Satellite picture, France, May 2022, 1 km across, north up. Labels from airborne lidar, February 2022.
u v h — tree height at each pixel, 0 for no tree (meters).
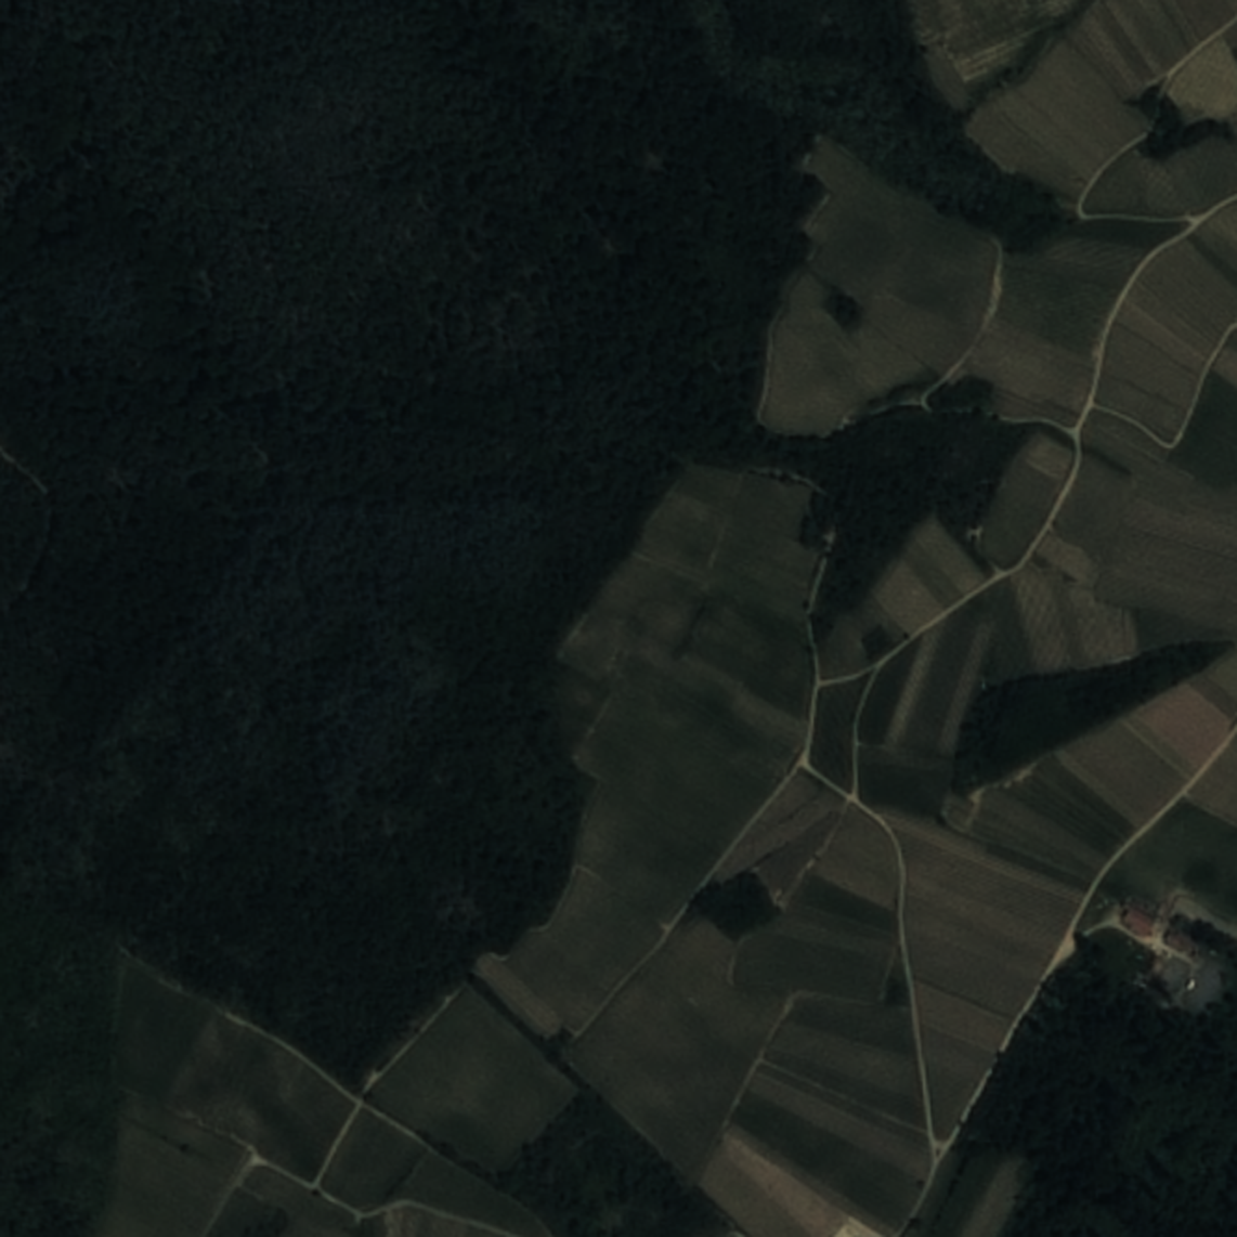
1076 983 8
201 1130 0
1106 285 0
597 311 14
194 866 15
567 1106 0
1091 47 0
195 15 18
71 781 12
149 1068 0
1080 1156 20
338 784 19
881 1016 0
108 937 12
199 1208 0
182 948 12
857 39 14
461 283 15
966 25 0
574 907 0
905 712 0
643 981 0
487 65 23
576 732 0
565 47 11
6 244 30
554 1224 0
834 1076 0
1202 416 0
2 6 16
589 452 12
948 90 0
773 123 17
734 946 0
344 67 17
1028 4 0
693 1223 0
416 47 19
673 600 0
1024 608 0
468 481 13
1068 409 0
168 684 20
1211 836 0
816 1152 0
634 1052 0
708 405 23
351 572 16
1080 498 0
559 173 23
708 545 0
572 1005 0
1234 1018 6
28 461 22
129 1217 0
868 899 0
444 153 17
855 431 6
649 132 15
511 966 0
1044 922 0
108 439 23
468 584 21
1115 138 0
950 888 0
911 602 0
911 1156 0
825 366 0
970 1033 0
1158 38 0
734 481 0
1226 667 0
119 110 20
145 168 19
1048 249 0
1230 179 0
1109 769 0
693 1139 0
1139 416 0
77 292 20
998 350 0
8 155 16
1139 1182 6
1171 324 0
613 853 0
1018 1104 11
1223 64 0
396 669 23
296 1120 0
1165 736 0
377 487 17
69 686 20
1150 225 0
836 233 0
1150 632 0
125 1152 0
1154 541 0
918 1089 0
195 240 21
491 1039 0
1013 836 0
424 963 8
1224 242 0
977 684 0
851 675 0
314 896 12
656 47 11
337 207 20
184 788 21
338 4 17
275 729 9
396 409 27
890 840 0
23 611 17
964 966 0
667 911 0
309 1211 0
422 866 11
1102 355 0
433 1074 0
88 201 23
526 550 21
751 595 0
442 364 14
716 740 0
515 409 24
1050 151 0
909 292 0
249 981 16
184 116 18
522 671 7
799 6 13
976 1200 0
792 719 0
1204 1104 6
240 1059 0
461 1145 0
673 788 0
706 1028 0
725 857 0
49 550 14
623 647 0
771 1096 0
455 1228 0
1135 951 0
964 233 0
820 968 0
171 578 22
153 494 19
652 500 11
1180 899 0
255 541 25
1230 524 0
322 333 13
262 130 15
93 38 16
